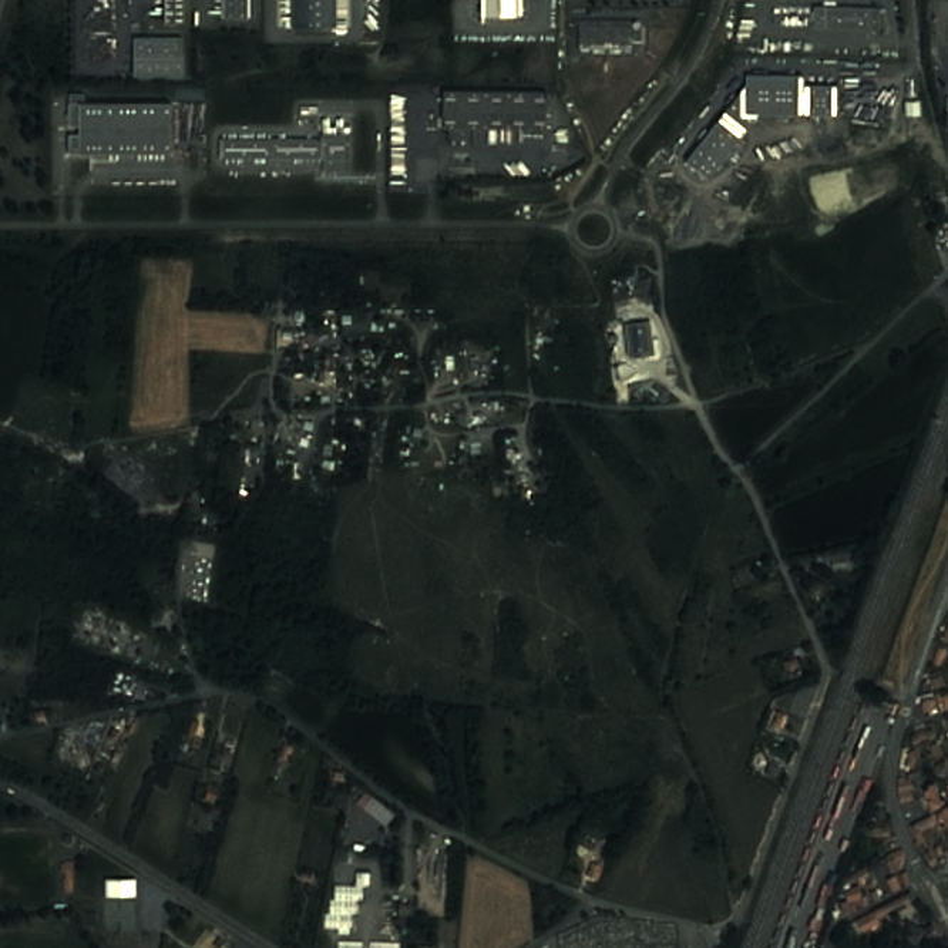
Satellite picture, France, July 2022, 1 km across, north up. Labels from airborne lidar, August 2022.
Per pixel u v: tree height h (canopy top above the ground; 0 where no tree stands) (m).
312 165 0
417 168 0
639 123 0
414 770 0
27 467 0
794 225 0
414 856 0
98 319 0
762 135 0
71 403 0
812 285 0
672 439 0
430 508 0
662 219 0
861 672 0
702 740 0
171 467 0
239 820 0
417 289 0
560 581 0
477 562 0
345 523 0
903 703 0
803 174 0
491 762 0
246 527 7
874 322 0
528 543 0
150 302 0
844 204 0
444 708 7
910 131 0
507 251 0
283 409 14
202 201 0
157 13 0
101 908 0
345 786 6
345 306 8
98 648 0
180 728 0
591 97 0
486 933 0
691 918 0
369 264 0
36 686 7
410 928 7
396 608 0
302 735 13
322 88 0
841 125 0
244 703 0
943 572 0
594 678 0
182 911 7
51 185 0
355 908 0
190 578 0
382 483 0
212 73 0
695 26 0
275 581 8
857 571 7
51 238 0
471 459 8
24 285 0
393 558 0
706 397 0
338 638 8
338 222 0
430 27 0
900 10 6
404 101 0
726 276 6
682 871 0
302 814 0
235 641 14
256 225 0
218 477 6
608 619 0
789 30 0
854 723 0
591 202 0
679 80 0
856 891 0
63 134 0
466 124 0
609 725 0
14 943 0
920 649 0
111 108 0
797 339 0
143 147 0
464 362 0
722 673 0
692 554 0
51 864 0
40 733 0
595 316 0
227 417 6
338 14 0
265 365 0
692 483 0
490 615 0
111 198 0
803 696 0
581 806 7
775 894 0
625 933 0
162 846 0
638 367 0
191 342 0
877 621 0
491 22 0
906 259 0
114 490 12
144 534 8
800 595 5
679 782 0
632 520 0
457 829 7
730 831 0
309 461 0
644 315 0
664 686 8
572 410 7
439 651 0
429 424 0
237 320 0
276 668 7
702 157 0
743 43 0
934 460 0
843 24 0
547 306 0
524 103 0
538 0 0
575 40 0
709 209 0
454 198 10
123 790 0
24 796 0
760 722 6
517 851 0
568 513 5
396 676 0
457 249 0
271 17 0
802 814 0
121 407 0
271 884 0
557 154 0
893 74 0
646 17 0
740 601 7
